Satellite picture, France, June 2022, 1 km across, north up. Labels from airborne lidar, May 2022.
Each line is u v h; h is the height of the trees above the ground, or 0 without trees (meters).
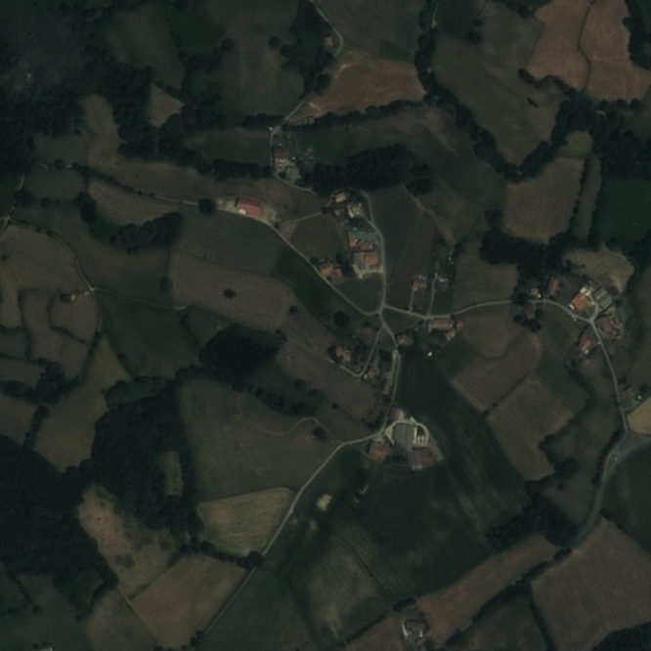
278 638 0
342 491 0
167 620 0
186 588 0
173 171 0
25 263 0
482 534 0
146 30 0
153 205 0
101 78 15
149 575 0
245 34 0
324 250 0
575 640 0
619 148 34
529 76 13
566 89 9
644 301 0
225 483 0
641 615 0
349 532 0
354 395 0
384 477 0
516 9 10
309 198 0
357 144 0
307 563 0
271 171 14
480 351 0
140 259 0
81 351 0
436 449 0
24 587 7
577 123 24
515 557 0
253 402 0
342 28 0
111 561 0
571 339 0
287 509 0
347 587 0
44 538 23
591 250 9
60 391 14
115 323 0
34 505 17
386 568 0
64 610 0
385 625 0
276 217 0
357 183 22
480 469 0
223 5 0
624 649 26
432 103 16
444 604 0
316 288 0
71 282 0
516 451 0
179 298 0
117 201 0
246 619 0
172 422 24
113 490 18
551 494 0
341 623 0
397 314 0
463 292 0
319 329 0
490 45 0
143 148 15
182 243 0
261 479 0
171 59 0
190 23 0
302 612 0
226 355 14
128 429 26
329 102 0
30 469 20
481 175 0
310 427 0
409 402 0
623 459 0
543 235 0
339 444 0
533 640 0
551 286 0
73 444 0
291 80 0
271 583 0
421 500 0
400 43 0
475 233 0
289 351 0
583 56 0
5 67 9
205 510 0
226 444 0
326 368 0
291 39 0
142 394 0
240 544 0
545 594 0
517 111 0
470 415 0
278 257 0
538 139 0
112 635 0
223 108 0
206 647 0
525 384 0
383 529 0
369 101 0
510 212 0
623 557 0
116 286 0
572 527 23
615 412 0
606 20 0
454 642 16
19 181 0
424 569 0
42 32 0
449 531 0
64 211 0
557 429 0
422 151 0
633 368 0
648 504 0
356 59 0
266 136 0
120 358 12
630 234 0
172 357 0
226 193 0
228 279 0
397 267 0
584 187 6
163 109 0
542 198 0
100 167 0
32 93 8
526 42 0
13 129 19
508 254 18
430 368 0
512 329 0
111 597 0
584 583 0
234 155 0
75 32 9
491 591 0
